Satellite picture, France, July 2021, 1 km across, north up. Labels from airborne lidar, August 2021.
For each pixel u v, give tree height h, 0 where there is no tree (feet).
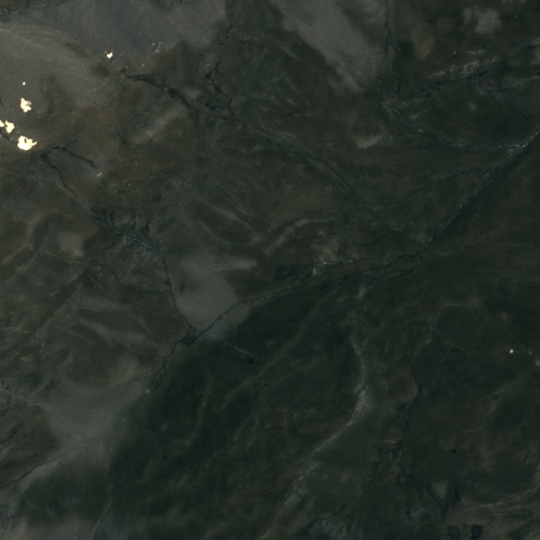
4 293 0
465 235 0
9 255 0
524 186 0
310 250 0
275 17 0
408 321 0
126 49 0
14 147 0
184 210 0
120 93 0
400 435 0
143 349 0
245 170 0
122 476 0
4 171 0
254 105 0
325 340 0
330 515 0
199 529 0
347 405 0
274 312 0
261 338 0
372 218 0
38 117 0
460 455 0
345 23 0
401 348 0
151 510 0
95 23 0
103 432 0
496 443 0
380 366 0
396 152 0
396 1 0
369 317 0
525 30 0
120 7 0
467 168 0
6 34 0
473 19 0
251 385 0
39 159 0
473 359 0
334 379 0
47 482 0
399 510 0
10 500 0
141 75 0
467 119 0
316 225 0
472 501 0
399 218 0
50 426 0
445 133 0
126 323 0
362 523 0
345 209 0
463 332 0
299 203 0
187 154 0
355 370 0
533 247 0
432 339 0
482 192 0
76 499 0
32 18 0
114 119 0
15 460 0
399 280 0
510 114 0
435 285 0
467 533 0
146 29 0
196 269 0
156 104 0
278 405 0
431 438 0
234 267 0
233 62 0
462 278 0
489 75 0
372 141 0
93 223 0
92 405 0
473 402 0
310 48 0
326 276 0
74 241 0
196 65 0
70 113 0
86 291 0
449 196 0
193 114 0
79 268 0
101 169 0
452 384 0
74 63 0
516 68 0
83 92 0
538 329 0
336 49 0
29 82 0
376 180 0
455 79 90
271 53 0
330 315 0
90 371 0
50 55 0
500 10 0
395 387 0
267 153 0
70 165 0
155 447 0
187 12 0
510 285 0
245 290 0
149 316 0
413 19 0
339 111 0
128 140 0
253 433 0
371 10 0
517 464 0
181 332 0
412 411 0
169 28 0
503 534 0
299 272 0
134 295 0
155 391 0
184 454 0
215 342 0
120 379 0
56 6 0
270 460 0
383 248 0
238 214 0
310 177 0
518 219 0
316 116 0
